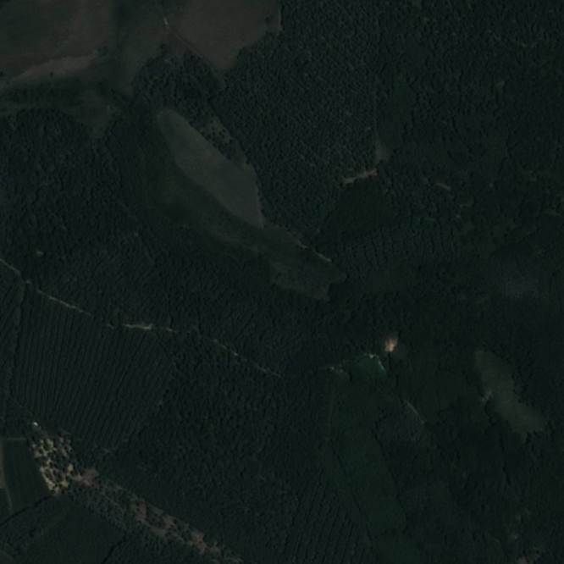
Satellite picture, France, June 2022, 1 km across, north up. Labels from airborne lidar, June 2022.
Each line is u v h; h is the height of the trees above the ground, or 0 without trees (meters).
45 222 18
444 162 10
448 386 8
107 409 16
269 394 18
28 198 13
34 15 0
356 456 6
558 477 12
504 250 9
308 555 15
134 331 10
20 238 17
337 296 17
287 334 16
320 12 15
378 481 9
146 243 19
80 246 19
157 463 13
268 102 16
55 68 0
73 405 9
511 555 15
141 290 13
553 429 17
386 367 11
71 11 0
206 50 0
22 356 15
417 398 16
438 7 15
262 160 24
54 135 22
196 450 19
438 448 13
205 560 22
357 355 19
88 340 12
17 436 12
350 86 15
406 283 9
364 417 6
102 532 7
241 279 17
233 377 21
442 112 19
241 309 12
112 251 12
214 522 9
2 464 0
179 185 0
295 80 17
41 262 18
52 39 0
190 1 0
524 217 12
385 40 18
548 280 11
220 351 19
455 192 11
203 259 12
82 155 20
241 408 17
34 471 0
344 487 7
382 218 15
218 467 17
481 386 21
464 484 8
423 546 11
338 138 15
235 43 0
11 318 15
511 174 9
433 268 22
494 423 22
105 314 11
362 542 16
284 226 10
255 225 0
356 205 17
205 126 8
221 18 0
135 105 8
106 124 0
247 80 14
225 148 16
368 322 11
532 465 22
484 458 20
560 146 9
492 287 9
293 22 16
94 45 0
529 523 18
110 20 0
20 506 0
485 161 10
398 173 19
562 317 9
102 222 24
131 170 17
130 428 14
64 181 24
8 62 0
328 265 9
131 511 13
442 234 21
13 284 15
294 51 19
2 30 0
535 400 23
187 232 18
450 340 13
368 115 18
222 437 19
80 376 13
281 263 0
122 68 0
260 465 19
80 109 0
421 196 13
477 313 13
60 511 27
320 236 14
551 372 13
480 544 20
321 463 16
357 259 23
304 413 18
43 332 12
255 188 0
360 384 13
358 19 12
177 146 0
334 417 9
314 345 16
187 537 14
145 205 16
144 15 0
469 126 13
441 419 17
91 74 0
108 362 15
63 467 12
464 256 21
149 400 12
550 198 10
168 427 21
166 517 13
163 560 28
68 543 6
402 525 6
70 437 17
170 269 19
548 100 15
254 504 16
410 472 22
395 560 7
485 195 15
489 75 9
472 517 13
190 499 15
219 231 0
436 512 15
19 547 26
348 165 16
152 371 12
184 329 16
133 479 9
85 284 13
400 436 23
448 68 17
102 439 15
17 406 12
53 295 11
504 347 17
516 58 17
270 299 18
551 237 18
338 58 21
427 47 15
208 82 10
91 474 0
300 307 11
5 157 15
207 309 15
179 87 12
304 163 18
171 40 0
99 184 19
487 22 21
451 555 12
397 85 17
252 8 0
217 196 0
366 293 9
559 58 24
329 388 20
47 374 14
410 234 21
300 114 15
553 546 14
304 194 20
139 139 7
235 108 22
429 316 23
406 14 21
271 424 18
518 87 18
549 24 11
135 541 21
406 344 19
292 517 18
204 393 26
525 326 15
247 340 12
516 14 24
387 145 6
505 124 10
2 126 15
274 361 13
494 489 26
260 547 13
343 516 16
